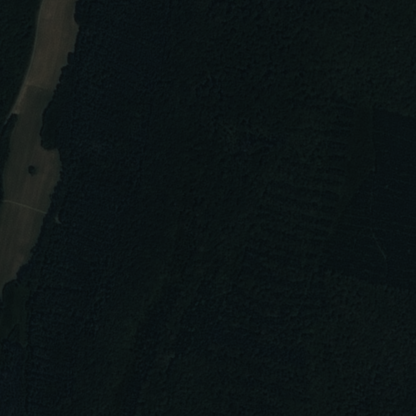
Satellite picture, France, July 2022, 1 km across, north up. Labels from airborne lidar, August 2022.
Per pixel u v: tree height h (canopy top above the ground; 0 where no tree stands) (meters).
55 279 17
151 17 12
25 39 19
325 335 18
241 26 23
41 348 19
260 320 26
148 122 18
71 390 20
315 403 20
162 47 16
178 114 19
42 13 0
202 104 24
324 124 22
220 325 18
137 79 17
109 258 20
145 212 24
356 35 19
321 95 21
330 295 21
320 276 20
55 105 11
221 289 16
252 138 6
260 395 18
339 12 21
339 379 23
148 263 24
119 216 20
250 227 19
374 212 10
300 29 21
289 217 17
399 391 20
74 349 13
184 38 26
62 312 17
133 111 7
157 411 18
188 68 20
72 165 17
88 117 23
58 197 22
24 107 0
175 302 22
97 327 22
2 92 21
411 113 19
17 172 0
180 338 15
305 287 17
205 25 17
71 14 0
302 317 19
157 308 15
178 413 18
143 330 18
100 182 13
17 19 22
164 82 22
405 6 19
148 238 29
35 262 20
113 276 26
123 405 16
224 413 18
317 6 22
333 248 14
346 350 19
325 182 13
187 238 19
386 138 11
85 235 13
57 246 18
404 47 19
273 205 18
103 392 17
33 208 0
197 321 13
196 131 25
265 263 17
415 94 20
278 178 17
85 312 16
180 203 20
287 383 21
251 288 18
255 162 22
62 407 25
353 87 16
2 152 13
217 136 25
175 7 22
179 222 19
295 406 21
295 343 16
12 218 0
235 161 19
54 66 0
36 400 9
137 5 21
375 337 15
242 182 19
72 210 18
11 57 19
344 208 11
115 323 18
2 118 11
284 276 14
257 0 24
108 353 17
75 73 14
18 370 30
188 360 14
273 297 19
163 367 22
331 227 12
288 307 17
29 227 0
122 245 24
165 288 14
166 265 18
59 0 0
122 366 22
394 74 21
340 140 15
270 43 24
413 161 12
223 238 20
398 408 21
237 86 24
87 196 15
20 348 28
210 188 24
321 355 20
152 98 15
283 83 23
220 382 16
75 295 18
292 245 15
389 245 11
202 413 15
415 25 12
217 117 25
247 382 20
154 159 25
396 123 11
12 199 0
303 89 21
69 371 16
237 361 18
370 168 7
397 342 19
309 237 14
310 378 18
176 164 23
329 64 20
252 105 21
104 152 19
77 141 18
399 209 11
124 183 14
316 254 21
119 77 12
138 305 17
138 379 17
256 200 17
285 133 20
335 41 26
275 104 22
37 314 16
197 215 25
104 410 17
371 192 10
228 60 26
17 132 0
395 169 9
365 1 19
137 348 11
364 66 19
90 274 22
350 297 23
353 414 26
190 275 22
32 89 0
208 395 17
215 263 18
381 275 8
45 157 0
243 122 19
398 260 9
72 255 19
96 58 24
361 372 16
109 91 14
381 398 21
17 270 0
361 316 20
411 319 16
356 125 16
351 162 14
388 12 19
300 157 20
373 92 19
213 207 22
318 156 21
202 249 24
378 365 17
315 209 14
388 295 17
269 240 24
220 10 23
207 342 11
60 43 0
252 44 22
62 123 13
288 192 17
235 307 18
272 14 25
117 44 19
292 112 21
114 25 23
